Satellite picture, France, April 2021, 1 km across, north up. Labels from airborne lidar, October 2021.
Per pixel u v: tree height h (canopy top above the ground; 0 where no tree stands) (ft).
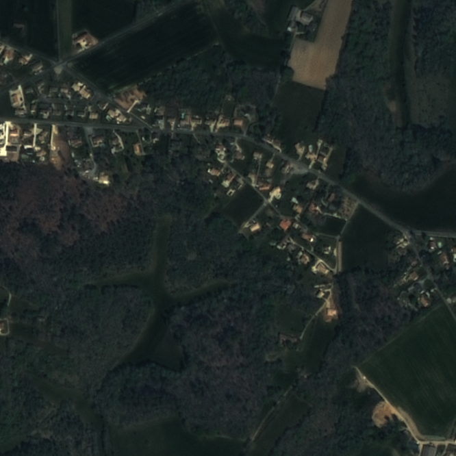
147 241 73
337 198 46
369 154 61
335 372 47
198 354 62
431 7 62
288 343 38
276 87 50
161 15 0
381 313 35
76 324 68
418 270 0
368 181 0
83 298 78
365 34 41
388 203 0
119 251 70
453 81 0
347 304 52
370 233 0
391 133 86
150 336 0
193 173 54
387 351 0
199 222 65
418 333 0
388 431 63
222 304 52
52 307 87
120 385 89
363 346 46
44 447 49
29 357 64
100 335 58
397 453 0
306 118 0
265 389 38
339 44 0
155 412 59
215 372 46
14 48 0
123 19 0
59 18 0
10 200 37
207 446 0
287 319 0
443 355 0
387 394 0
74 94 0
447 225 0
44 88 0
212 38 0
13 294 54
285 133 0
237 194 0
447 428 0
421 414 0
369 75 72
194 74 49
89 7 0
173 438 0
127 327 79
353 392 0
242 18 60
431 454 0
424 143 86
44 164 0
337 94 69
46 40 0
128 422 37
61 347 61
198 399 70
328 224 0
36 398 75
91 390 57
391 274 54
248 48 0
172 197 80
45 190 0
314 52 0
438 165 72
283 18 0
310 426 59
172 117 0
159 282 0
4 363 69
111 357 50
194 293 0
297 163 0
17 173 43
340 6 0
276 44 0
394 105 0
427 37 82
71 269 78
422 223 0
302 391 43
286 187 20
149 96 28
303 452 54
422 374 0
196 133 0
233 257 70
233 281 69
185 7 0
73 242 26
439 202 0
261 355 55
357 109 73
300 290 56
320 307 50
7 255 37
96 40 0
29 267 42
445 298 21
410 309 29
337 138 52
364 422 49
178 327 40
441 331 0
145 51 0
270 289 69
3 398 76
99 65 0
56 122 0
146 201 66
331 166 0
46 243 55
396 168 60
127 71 0
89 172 0
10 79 0
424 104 0
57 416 27
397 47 0
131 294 55
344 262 0
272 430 0
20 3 0
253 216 0
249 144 0
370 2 0
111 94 0
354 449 77
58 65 0
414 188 52
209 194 85
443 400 0
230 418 48
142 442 0
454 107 0
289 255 21
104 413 76
